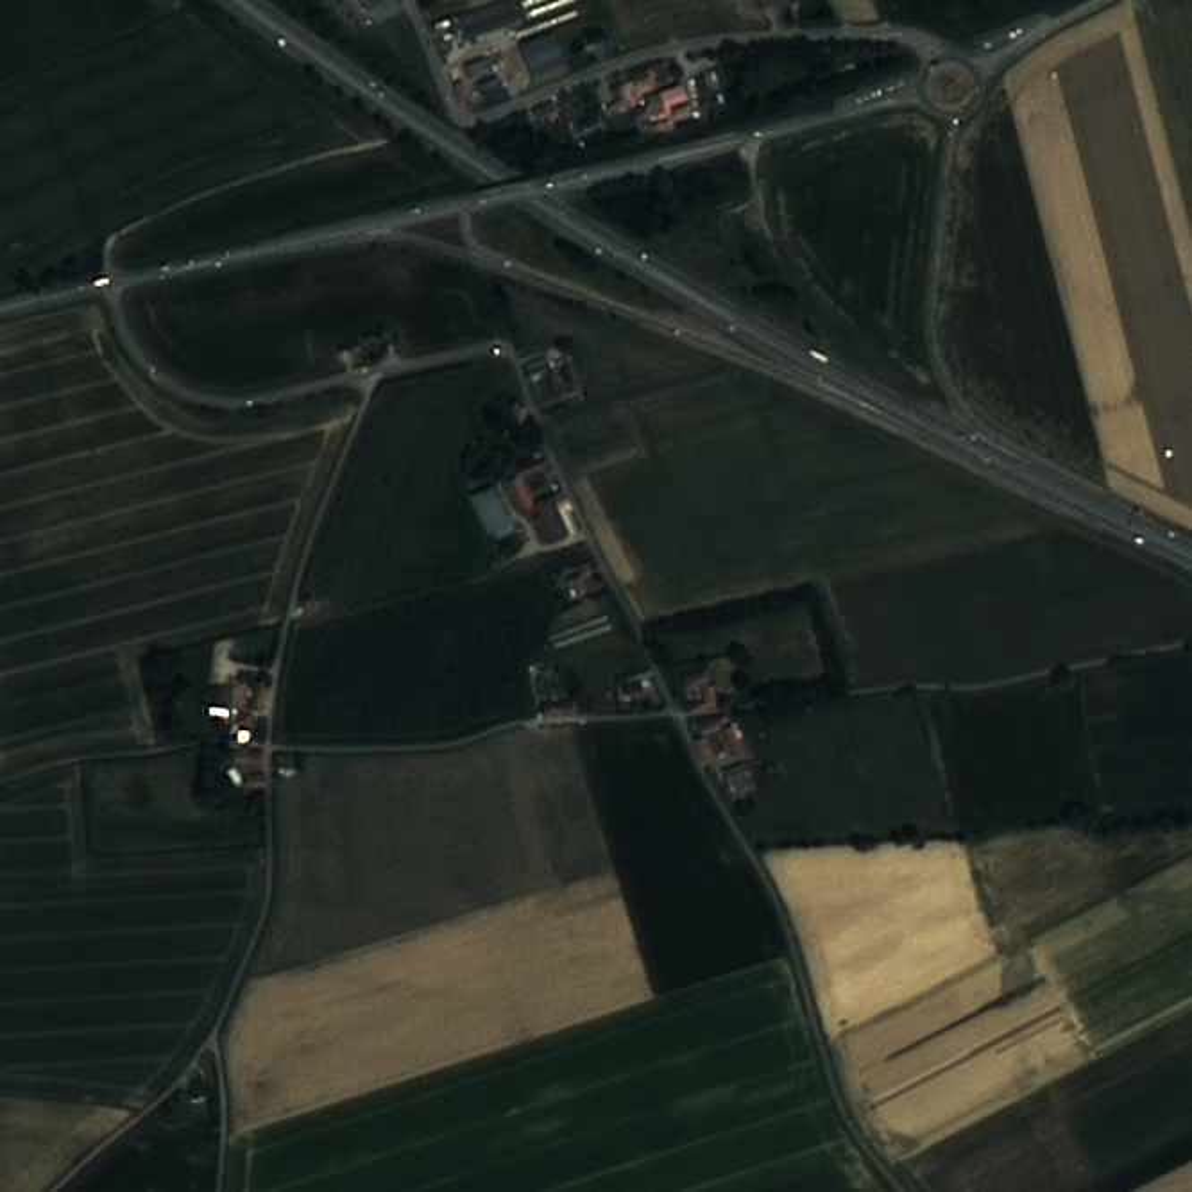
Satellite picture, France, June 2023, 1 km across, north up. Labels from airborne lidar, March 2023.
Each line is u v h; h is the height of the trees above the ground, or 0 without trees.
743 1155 0
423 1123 0
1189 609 0
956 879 0
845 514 0
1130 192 0
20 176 0
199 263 0
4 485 0
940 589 0
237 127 0
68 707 0
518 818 0
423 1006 0
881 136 0
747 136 0
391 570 0
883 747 0
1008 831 0
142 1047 0
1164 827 12
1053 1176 0
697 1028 0
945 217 0
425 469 0
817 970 0
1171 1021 0
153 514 0
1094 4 0
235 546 0
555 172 0
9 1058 0
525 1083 0
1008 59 0
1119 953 0
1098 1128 0
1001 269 0
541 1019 0
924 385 0
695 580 0
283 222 0
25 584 0
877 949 0
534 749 0
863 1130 0
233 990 0
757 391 0
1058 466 0
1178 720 0
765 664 0
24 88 0
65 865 0
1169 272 0
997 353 0
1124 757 0
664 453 0
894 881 0
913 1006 0
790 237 0
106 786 0
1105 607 0
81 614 0
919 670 0
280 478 0
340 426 0
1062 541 0
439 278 0
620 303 0
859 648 0
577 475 0
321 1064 0
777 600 11
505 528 0
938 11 0
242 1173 0
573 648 0
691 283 0
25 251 0
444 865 0
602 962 0
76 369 0
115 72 0
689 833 0
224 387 0
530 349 0
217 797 18
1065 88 0
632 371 0
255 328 0
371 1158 0
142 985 0
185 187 0
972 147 0
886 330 0
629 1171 0
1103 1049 0
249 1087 0
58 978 0
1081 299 0
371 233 0
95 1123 0
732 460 0
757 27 0
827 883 0
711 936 0
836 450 0
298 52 0
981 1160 0
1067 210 0
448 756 0
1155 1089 0
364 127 0
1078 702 0
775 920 0
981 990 0
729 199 0
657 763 0
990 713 0
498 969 0
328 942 0
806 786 0
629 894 0
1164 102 0
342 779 0
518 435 13
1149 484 0
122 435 0
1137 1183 0
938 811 0
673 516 0
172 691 14
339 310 0
